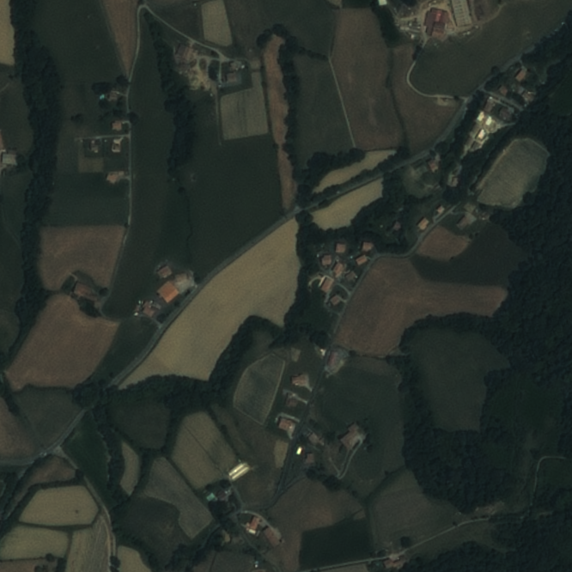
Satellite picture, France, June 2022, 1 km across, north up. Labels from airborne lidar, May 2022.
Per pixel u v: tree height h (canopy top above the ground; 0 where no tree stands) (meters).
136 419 0
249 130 0
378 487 0
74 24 0
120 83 16
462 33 0
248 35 0
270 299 0
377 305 0
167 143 0
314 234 23
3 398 9
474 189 10
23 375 0
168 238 0
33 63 28
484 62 0
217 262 0
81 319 0
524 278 19
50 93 30
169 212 0
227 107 0
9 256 0
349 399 0
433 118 0
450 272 0
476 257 0
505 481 24
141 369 0
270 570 0
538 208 26
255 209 0
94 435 0
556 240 20
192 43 0
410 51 0
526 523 14
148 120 0
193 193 0
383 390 0
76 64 0
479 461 23
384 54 0
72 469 0
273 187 0
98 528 0
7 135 0
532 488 0
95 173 0
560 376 15
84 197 0
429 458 17
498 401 0
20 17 17
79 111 0
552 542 21
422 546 0
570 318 20
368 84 0
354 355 12
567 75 8
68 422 0
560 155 22
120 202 0
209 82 0
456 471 33
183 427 0
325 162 22
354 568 0
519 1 0
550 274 14
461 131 20
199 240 0
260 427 0
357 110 0
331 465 0
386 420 0
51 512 0
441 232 0
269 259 0
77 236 0
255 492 0
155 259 0
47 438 0
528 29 0
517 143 0
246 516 0
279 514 0
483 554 14
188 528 0
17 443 0
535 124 21
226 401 10
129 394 24
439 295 0
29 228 24
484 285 0
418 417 11
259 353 0
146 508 0
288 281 0
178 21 0
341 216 0
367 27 0
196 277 6
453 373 0
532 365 26
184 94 7
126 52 0
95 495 0
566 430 6
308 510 0
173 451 0
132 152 0
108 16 0
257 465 0
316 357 0
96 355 0
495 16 0
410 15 0
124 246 0
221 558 0
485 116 0
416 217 0
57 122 27
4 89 0
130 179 0
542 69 0
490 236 0
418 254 0
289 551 0
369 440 8
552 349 14
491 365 0
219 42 0
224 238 0
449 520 0
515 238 24
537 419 0
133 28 0
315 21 0
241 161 0
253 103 0
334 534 0
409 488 0
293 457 0
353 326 0
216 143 0
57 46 0
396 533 0
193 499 0
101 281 0
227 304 0
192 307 0
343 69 0
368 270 0
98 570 0
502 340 25
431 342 0
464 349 0
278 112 0
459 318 12
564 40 25
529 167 0
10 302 0
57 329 0
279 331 8
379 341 0
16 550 0
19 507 9
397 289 0
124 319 0
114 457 14
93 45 0
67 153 0
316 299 0
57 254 0
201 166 0
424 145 0
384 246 13
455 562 28
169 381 23
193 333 0
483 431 6
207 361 0
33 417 0
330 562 0
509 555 11
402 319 0
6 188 0
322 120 0
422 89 0
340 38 0
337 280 0
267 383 0
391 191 28
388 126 0
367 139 0
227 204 0
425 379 0
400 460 0
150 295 0
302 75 0
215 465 0
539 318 28
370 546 0
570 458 17
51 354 0
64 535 0
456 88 0
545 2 0
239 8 0
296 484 0
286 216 16
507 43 0
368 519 0
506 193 0
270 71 0
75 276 0
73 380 0
